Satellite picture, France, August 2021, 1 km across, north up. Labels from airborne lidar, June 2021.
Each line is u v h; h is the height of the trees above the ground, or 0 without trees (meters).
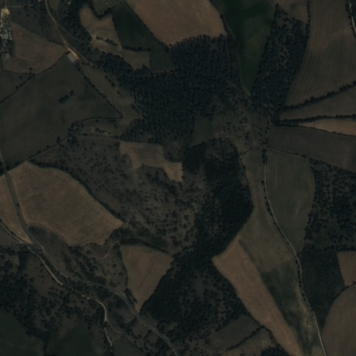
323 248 0
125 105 0
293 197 0
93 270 9
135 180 0
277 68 14
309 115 0
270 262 0
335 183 8
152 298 10
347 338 0
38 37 0
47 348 11
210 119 7
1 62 0
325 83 0
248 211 14
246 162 0
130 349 0
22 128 0
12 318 0
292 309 0
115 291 0
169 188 6
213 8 0
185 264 14
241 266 0
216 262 0
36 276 0
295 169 0
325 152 0
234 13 0
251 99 11
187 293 13
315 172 11
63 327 0
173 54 19
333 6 0
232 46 13
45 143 0
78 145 7
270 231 0
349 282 0
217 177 12
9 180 0
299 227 0
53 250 0
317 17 0
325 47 0
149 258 0
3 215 0
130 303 7
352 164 0
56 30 0
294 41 11
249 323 0
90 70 0
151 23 0
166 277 12
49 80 0
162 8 0
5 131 0
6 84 0
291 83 11
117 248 9
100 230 0
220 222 7
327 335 0
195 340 6
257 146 0
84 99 0
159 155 0
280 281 0
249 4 0
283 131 0
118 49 0
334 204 7
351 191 11
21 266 10
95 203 0
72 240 0
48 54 0
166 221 8
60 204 0
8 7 0
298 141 0
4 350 0
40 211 0
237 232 14
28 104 0
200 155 8
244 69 0
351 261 0
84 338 0
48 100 0
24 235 0
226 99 9
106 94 0
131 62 0
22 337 0
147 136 0
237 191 15
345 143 0
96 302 10
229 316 7
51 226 0
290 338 0
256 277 0
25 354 0
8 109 0
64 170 8
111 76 0
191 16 0
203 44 15
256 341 0
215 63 12
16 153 0
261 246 0
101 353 0
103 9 0
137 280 0
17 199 0
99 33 0
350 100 0
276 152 0
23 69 0
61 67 0
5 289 15
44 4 8
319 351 0
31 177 0
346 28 0
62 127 0
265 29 0
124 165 0
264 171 0
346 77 0
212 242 15
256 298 0
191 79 13
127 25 0
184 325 14
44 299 9
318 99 9
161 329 10
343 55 0
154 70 0
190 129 11
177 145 0
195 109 7
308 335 0
